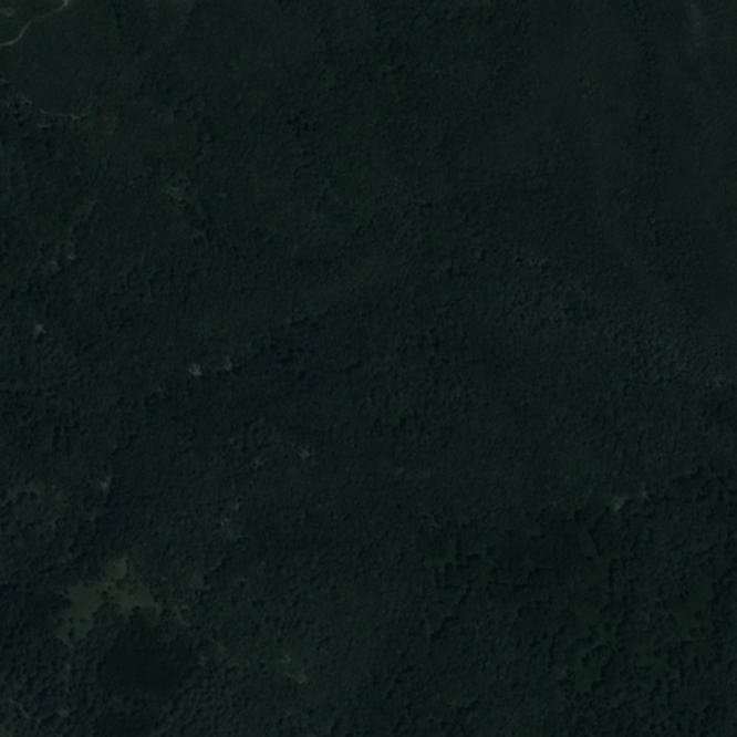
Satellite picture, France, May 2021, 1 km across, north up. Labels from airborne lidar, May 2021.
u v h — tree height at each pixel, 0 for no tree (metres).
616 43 7
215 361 17
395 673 25
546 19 7
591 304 20
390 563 15
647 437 10
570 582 22
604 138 7
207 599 16
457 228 15
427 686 19
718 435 12
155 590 11
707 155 6
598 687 20
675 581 14
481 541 19
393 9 14
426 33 9
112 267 24
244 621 6
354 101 12
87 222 12
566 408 19
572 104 6
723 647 22
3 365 14
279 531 21
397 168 14
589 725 23
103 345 22
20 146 18
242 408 19
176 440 15
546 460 14
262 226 17
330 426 17
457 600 27
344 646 7
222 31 6
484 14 7
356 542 20
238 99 13
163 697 13
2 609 20
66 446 17
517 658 16
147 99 14
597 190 7
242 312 11
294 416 17
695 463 28
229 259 32
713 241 7
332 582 10
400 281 13
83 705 15
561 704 16
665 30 6
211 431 22
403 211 9
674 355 12
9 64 6
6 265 15
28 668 21
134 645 11
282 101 13
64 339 21
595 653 13
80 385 22
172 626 6
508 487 12
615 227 9
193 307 17
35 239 22
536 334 20
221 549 10
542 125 7
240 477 10
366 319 28
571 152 8
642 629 17
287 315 19
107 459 15
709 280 9
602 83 8
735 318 8
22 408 21
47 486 7
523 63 10
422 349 19
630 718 20
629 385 14
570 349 19
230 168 15
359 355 18
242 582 6
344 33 6
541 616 25
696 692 23
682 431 14
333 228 14
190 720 9
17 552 12
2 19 5
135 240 19
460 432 13
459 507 15
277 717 7
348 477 6
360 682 7
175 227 17
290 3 15
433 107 16
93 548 21
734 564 16
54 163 18
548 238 14
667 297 13
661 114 9
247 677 10
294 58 7
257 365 32
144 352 15
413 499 17
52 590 6
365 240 16
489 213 18
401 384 15
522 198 14
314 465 13
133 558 8
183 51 5
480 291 17
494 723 13
